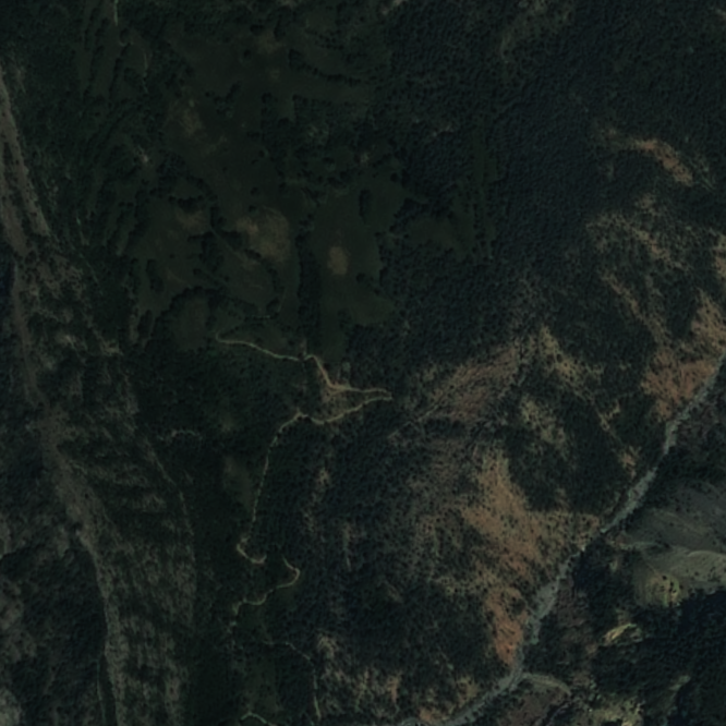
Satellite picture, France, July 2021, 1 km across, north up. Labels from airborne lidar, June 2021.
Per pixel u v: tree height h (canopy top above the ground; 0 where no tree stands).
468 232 0
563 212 7
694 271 7
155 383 9
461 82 9
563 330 10
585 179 10
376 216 0
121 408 5
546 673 6
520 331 7
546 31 9
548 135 9
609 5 9
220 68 0
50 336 7
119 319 12
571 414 10
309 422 12
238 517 8
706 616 11
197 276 10
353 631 16
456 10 10
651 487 13
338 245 0
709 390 7
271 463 7
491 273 8
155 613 7
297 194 0
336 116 7
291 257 0
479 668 10
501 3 8
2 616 6
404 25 9
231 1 10
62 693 6
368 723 11
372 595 10
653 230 8
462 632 7
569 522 7
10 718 0
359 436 7
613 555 7
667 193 9
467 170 7
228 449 6
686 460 12
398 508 6
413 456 9
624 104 12
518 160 12
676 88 12
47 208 8
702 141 8
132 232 8
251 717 7
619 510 10
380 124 7
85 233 10
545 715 0
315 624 10
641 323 6
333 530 7
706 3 9
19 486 5
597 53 9
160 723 10
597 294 10
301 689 14
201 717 13
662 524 0
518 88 10
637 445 8
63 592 7
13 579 7
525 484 6
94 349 6
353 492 7
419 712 8
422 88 6
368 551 9
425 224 0
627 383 6
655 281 7
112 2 7
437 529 8
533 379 6
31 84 7
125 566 6
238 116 0
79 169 6
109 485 10
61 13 6
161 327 10
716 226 11
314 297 17
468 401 0
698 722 9
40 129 9
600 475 13
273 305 10
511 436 10
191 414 12
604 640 10
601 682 6
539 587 6
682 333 9
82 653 6
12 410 6
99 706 7
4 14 20
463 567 7
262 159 8
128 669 8
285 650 14
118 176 7
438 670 6
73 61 10
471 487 6
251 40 0
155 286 12
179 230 0
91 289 7
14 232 0
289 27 7
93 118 8
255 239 0
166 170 13
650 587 0
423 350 7
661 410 0
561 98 6
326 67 0
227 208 0
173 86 18
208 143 0
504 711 7
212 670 15
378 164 8
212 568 7
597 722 0
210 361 13
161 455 13
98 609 9
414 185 16
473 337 6
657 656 10
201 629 8
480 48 12
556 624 7
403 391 11
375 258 0
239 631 14
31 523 9
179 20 11
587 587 10
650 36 12
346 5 12
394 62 12
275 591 7
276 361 6
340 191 9
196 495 9
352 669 11
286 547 11
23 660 7
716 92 13
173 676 7
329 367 16
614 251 8
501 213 9
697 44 11
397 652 13
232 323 0
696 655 12
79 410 8
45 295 10
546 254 6
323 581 10
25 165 6
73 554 7
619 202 9
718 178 9
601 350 8
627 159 9
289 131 14
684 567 0
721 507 0
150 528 8
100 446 12
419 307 7
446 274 10
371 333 12
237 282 0
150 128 7
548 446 6
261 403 8
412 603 8
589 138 8
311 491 9
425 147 10
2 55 6
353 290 0
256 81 0
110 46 0
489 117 7
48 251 8
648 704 7
